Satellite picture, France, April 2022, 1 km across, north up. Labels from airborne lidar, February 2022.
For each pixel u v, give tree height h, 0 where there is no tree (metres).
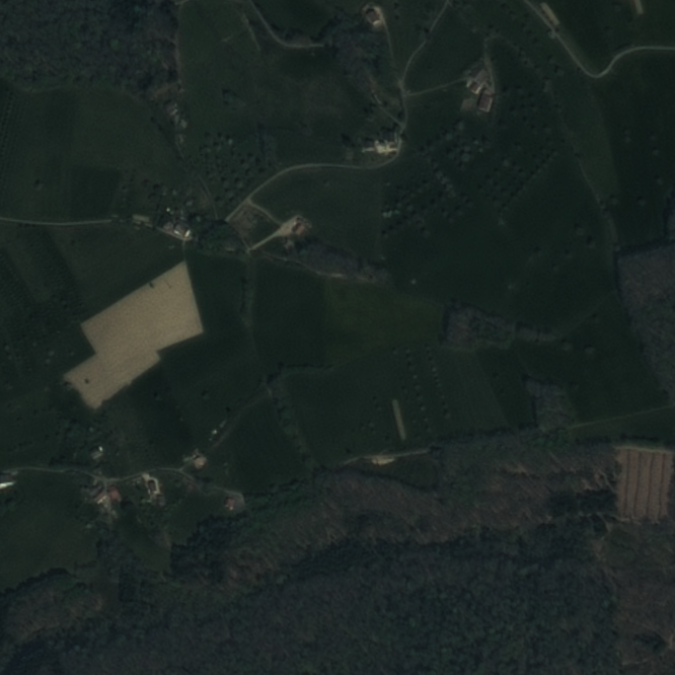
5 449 0
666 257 30
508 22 0
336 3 0
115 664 35
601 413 0
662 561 0
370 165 0
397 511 35
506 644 29
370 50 31
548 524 33
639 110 0
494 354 0
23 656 15
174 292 0
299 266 7
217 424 0
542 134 0
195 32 0
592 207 0
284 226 0
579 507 18
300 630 26
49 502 0
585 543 29
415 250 0
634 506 0
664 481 0
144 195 0
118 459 0
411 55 0
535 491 34
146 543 0
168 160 0
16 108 0
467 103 0
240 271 0
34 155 0
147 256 0
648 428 0
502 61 0
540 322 0
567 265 0
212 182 9
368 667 28
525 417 0
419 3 0
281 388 18
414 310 0
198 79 0
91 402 0
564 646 29
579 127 0
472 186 0
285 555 31
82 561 0
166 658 34
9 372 0
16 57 28
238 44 0
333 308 0
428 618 27
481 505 33
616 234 0
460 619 28
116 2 30
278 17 0
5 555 0
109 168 0
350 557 33
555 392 28
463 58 0
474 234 0
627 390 0
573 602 28
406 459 0
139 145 0
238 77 0
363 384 0
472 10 0
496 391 0
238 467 0
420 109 0
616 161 0
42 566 0
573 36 0
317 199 0
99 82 24
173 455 0
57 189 0
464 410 0
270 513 23
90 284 0
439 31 0
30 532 0
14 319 0
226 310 0
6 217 0
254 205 0
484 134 0
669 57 0
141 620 25
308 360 0
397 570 38
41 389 0
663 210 0
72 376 0
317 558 27
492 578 33
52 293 0
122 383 6
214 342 0
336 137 0
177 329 0
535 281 0
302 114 0
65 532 0
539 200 0
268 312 0
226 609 22
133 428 0
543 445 24
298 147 0
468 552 35
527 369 0
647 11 0
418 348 0
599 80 0
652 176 0
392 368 0
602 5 0
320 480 22
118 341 0
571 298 0
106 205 0
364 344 0
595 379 0
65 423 9
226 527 24
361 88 30
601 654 28
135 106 0
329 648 27
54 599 31
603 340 0
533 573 23
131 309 0
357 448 0
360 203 0
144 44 36
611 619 25
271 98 0
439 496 25
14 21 29
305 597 27
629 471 0
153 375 0
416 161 0
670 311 31
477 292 0
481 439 23
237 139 0
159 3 31
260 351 0
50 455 0
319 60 0
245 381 0
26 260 0
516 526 33
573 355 0
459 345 19
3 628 23
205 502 0
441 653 28
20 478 0
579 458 32
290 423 14
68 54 31
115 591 0
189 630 31
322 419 0
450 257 0
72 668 33
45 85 25
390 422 0
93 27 32
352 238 0
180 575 13
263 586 20
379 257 0
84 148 0
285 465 0
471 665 30
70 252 0
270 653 29
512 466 30
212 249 16
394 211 6
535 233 0
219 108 0
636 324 27
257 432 0
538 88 0
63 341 0
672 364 27
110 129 0
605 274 0
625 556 0
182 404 0
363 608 30
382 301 0
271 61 0
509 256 0
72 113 0
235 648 21
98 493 0
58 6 31
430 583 33
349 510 35
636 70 0
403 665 29
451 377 0
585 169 0
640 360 0
